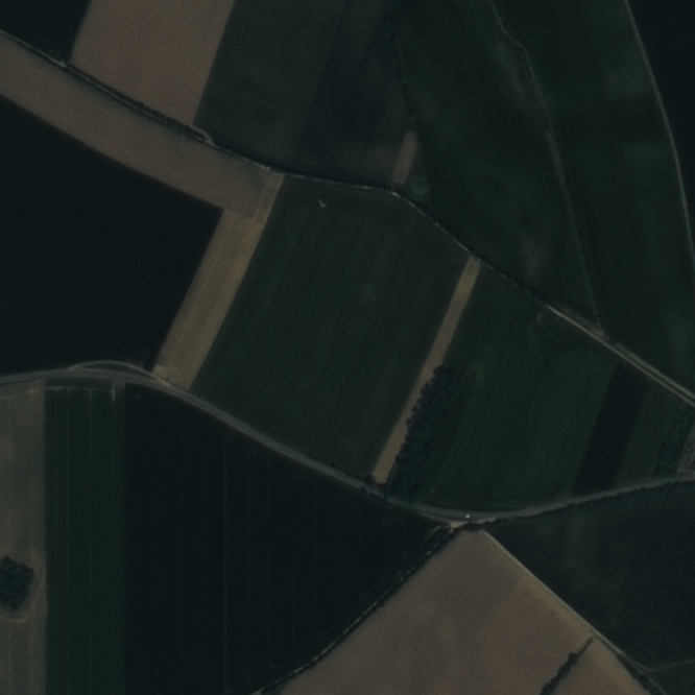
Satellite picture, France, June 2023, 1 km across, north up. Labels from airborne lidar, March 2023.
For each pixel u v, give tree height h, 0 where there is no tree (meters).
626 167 0
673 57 0
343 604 0
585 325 0
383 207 0
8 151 0
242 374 0
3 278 0
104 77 0
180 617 0
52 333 0
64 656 0
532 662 0
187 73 0
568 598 0
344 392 0
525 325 0
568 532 0
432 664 0
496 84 0
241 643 0
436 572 0
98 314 0
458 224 0
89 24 0
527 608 0
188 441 0
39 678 0
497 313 0
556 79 0
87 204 0
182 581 0
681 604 0
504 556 0
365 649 0
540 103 0
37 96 0
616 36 0
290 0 0
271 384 0
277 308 0
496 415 0
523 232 0
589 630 0
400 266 0
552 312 0
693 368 0
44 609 0
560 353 0
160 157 0
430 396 20
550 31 0
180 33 0
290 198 0
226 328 0
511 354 0
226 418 0
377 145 0
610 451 0
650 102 0
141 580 0
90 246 0
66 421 0
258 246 0
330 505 0
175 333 0
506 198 0
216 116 0
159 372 0
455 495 0
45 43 0
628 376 0
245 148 0
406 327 0
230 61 0
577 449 0
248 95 0
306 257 0
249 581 0
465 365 0
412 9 0
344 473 6
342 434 0
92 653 0
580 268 0
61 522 0
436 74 0
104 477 0
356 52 0
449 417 20
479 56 0
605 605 0
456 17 0
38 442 0
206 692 0
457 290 0
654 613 0
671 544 0
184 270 0
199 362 0
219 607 0
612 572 0
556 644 0
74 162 0
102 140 0
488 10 0
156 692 0
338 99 0
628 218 0
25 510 0
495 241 0
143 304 0
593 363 0
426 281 0
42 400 0
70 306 0
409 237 0
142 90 0
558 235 0
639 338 0
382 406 0
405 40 0
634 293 0
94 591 0
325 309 0
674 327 0
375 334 0
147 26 0
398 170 0
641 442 0
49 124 0
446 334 0
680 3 0
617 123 0
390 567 0
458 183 0
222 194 0
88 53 0
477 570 0
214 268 0
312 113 0
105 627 0
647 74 0
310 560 0
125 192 0
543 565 0
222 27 0
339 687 0
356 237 0
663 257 0
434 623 0
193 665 0
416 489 19
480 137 0
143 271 0
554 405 0
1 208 0
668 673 0
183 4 0
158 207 0
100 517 0
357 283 0
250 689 0
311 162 0
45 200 0
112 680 0
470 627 0
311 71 0
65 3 0
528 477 0
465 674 0
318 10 0
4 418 0
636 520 0
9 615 0
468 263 0
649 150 0
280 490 0
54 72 0
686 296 0
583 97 0
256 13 0
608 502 11
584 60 0
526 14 0
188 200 0
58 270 0
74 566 0
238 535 0
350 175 0
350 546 0
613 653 0
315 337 0
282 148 0
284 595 0
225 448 0
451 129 0
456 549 0
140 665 0
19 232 0
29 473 0
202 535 0
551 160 0
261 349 0
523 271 0
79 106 0
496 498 0
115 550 0
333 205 0
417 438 26
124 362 0
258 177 0
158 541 0
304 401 0
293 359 0
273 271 0
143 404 0
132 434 0
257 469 0
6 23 0
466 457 0
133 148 0
